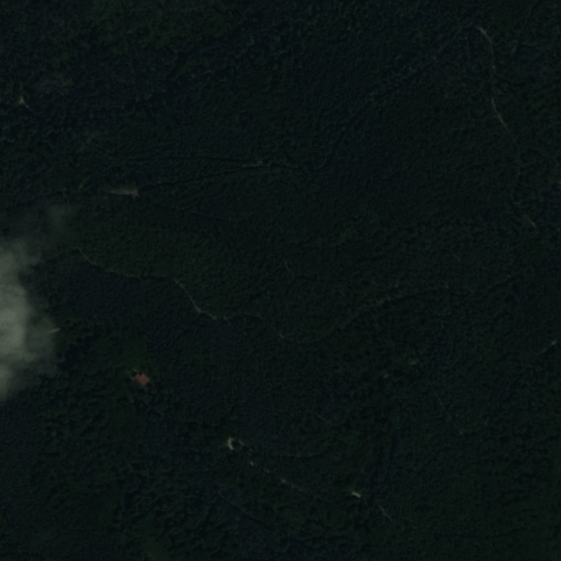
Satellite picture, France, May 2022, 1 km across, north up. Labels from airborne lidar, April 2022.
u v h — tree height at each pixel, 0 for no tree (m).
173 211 10
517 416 26
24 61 37
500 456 29
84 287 25
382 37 12
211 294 12
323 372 27
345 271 12
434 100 10
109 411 27
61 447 25
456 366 16
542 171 15
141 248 19
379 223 10
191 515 33
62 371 24
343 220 7
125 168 13
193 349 20
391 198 14
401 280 21
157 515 27
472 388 19
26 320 25
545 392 28
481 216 11
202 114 15
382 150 15
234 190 15
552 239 27
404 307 27
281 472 19
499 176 13
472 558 19
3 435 23
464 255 21
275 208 13
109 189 8
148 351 16
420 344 25
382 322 20
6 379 32
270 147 11
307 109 6
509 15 14
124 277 23
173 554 14
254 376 19
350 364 44
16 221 29
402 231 10
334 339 11
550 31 24
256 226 13
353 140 10
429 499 18
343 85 13
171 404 19
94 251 16
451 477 14
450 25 20
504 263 21
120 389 27
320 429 17
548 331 24
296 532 16
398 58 10
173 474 32
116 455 29
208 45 34
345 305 8
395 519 15
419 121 10
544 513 33
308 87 16
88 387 8
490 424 21
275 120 12
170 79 24
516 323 18
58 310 27
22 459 24
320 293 18
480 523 18
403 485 18
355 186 10
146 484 36
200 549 27
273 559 31
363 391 25
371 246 8
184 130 15
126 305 22
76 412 15
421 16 21
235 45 33
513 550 25
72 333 6
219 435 30
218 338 25
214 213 15
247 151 9
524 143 13
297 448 10
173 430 30
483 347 22
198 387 23
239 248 16
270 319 14
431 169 15
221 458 25
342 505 24
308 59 9
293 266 13
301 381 18
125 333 17
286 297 15
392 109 8
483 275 20
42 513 23
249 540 28
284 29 30
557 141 18
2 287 29
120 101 11
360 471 8
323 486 23
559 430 25
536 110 9
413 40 20
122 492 11
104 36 26
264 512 32
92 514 18
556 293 14
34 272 24
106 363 31
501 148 16
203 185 10
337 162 14
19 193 19
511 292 9
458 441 13
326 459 24
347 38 12
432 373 21
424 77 16
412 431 21
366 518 16
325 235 14
